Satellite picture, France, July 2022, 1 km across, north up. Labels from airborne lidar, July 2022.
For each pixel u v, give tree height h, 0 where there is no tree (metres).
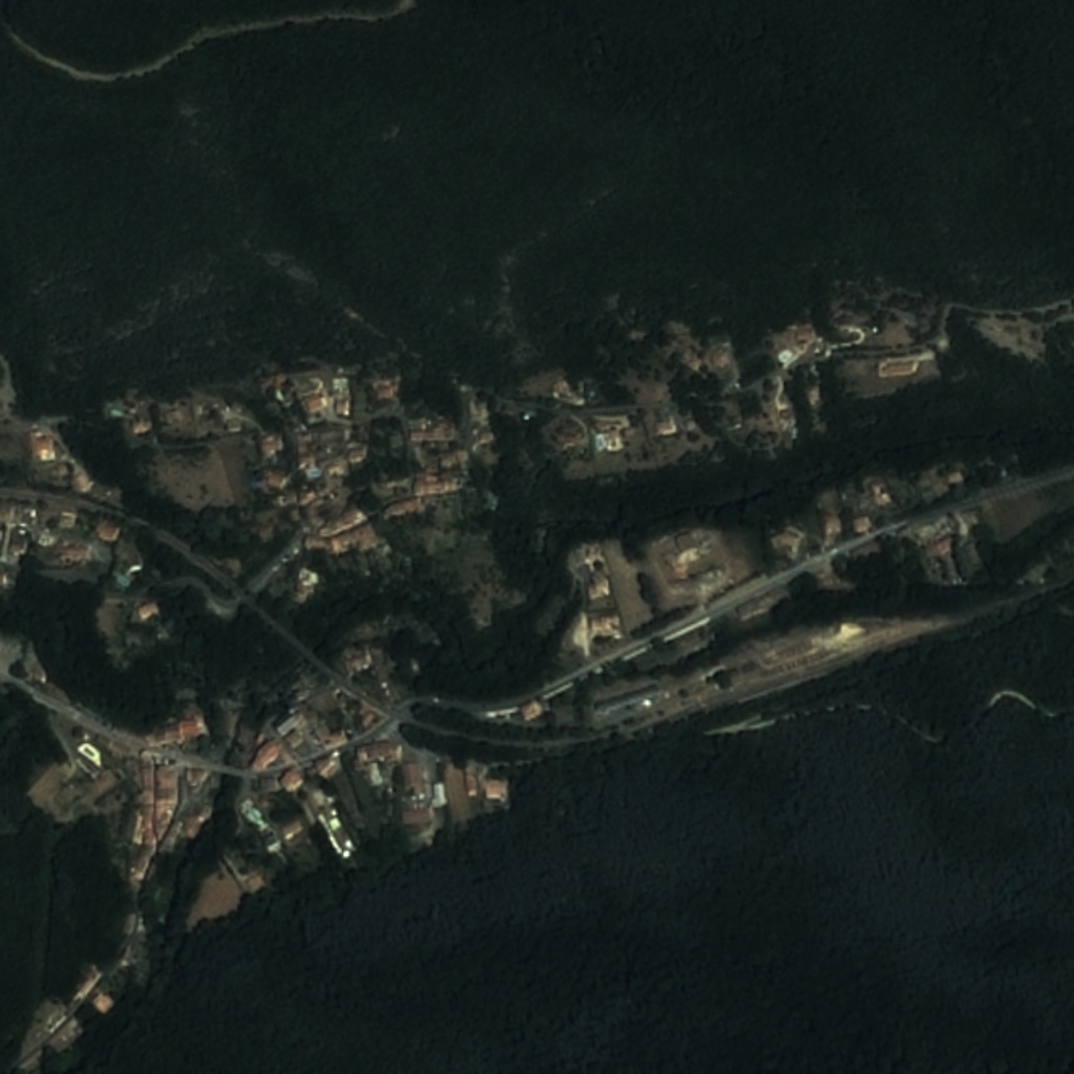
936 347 7
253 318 11
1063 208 16
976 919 19
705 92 15
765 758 16
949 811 20
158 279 9
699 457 9
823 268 10
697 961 22
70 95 8
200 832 13
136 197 10
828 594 18
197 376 8
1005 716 10
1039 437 12
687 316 11
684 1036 18
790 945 23
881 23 9
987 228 10
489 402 11
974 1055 13
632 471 11
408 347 6
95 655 20
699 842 18
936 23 17
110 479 15
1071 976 15
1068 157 9
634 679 8
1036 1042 20
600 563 7
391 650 8
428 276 8
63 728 0
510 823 18
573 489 12
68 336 6
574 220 7
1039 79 13
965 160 10
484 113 10
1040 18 15
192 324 13
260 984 8
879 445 15
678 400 13
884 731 17
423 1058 15
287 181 16
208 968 8
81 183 9
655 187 10
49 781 0
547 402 9
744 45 18
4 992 18
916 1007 17
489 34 13
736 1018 22
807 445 14
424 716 15
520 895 20
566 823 14
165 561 13
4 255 9
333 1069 15
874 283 10
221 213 8
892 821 16
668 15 17
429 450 8
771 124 21
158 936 15
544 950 24
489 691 20
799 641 0
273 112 14
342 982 25
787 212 8
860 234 8
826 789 14
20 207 7
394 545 8
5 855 12
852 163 24
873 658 13
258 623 14
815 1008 24
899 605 14
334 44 17
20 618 17
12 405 8
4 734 11
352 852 11
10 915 13
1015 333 0
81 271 7
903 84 11
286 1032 10
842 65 16
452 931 23
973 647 9
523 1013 18
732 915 27
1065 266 13
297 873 16
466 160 8
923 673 13
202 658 17
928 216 8
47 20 11
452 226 9
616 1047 19
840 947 18
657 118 12
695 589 0
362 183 9
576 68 21
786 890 21
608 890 17
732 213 12
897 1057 13
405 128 6
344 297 7
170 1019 20
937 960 16
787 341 0
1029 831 11
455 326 9
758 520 19
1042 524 7
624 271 12
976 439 22
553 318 10
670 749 16
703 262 10
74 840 12
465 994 26
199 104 6
